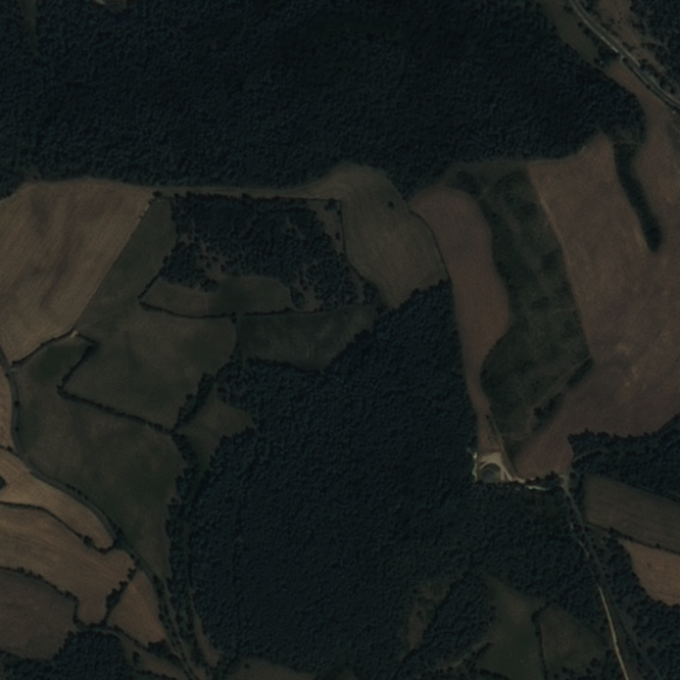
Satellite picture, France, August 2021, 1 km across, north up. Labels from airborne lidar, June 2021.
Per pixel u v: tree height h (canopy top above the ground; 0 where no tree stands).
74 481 0
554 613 0
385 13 22
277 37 23
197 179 12
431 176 11
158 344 0
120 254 0
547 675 8
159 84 20
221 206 14
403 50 9
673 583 0
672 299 0
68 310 0
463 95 16
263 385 18
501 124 12
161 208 0
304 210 8
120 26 20
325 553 18
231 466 17
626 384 0
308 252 15
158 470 0
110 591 0
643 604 11
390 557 14
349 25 19
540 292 0
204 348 0
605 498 0
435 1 17
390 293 0
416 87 16
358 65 14
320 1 19
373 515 16
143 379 0
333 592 16
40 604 0
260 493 16
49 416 0
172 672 0
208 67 23
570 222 0
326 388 17
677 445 14
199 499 20
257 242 10
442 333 13
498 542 20
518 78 19
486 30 18
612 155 0
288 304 0
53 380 0
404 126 15
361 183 0
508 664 0
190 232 10
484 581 12
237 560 15
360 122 12
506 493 13
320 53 20
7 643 0
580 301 0
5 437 0
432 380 15
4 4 10
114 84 21
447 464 13
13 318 0
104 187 0
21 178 8
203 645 0
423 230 0
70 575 0
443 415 13
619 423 0
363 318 0
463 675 6
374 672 14
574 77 20
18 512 0
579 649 0
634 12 7
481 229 0
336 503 16
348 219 0
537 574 18
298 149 17
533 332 0
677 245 0
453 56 12
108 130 18
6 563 0
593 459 13
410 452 13
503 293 0
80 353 0
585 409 0
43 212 0
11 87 23
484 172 0
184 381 0
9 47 22
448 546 14
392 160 16
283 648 15
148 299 0
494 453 0
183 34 20
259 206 11
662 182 0
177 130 14
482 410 0
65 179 8
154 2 16
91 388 0
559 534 17
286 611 15
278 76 15
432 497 11
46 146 17
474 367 0
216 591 17
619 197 0
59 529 0
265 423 16
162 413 0
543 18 8
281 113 16
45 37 6
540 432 0
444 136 16
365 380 15
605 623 9
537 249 0
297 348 0
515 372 0
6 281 0
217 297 0
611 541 10
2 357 0
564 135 21
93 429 0
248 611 15
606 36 0
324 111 14
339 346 0
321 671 11
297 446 20
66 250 0
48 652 0
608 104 21
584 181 0
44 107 21
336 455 18
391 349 17
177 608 14
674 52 14
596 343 0
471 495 15
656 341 0
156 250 0
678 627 10
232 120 15
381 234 0
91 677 15
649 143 0
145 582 0
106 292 0
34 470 0
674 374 0
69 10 17
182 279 7
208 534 19
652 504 0
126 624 0
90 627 6
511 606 0
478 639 8
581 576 15
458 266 0
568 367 0
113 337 0
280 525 17
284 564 19
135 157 14
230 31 19
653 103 0
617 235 0
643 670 11
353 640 15
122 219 0
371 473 19
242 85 20
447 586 0
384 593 17
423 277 0
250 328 0
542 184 0
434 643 15
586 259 0
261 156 19
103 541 0
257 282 0
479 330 0
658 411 0
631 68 8
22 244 0
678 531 0
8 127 17
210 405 0
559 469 0
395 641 16
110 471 0
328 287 7
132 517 0
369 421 18
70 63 22
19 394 0
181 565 16
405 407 16
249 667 7
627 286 0
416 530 10
